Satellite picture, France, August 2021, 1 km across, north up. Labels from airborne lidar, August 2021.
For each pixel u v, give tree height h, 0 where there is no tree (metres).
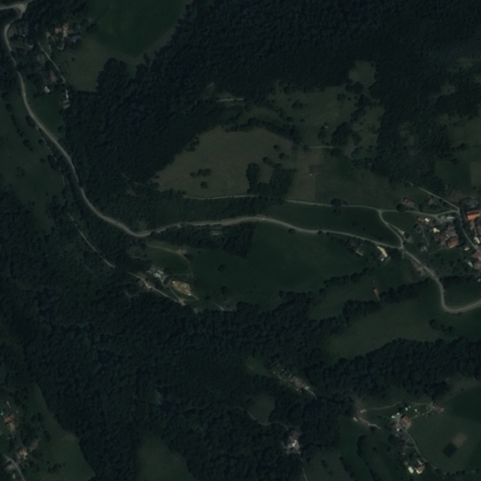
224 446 15
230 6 30
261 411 0
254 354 23
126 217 7
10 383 17
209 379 19
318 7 37
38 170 0
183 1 0
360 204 0
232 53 28
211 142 0
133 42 0
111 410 26
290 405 27
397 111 17
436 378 18
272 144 0
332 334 22
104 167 25
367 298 0
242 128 15
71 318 40
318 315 0
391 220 0
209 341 28
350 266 0
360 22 26
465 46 12
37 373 25
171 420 29
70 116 19
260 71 15
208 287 0
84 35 0
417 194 0
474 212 0
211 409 26
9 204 25
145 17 0
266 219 0
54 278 22
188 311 28
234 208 14
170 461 0
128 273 14
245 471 37
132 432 10
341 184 0
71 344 28
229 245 21
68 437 0
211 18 17
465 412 0
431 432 0
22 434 7
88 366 19
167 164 16
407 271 0
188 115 9
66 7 25
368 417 0
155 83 14
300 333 23
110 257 14
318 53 18
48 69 12
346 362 25
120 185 8
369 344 0
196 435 46
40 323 30
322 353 15
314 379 26
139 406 36
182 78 13
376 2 31
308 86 11
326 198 0
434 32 21
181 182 0
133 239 12
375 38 16
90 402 27
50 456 0
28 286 30
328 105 0
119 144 18
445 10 14
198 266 0
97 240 9
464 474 10
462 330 0
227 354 28
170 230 14
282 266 0
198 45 9
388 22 22
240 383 18
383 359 27
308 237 0
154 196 14
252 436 9
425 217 0
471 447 0
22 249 28
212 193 0
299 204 0
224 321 7
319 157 0
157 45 0
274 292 0
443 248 0
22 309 17
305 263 0
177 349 20
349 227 0
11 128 0
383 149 10
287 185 14
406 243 8
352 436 0
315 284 0
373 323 0
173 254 0
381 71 18
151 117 33
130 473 27
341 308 0
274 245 0
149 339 19
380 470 0
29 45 14
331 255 0
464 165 0
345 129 13
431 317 0
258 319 23
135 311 19
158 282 9
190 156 0
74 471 0
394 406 0
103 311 18
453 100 13
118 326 20
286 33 28
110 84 29
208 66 25
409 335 0
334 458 0
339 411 18
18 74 15
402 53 18
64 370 34
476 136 0
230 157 0
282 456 17
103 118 16
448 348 25
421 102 6
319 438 25
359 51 16
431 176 15
